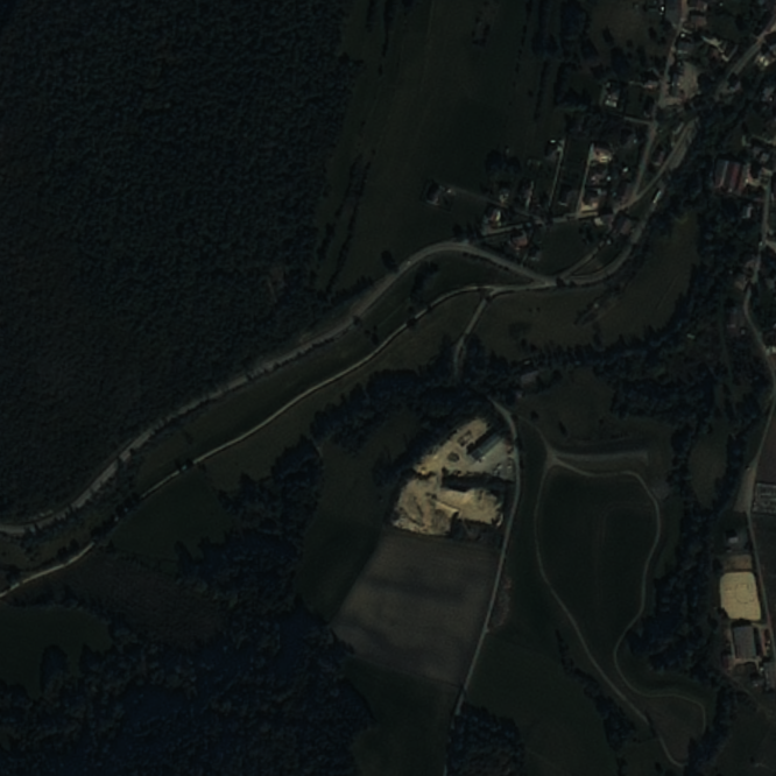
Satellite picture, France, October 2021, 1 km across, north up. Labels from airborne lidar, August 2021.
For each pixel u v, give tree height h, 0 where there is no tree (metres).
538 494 0
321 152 18
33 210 14
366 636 0
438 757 0
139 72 20
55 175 24
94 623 0
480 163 0
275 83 24
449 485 0
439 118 0
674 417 18
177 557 0
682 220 30
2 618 0
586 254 0
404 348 0
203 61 19
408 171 0
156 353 18
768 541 0
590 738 0
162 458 0
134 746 23
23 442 12
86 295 18
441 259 0
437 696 0
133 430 13
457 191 0
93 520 11
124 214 22
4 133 15
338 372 0
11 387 14
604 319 0
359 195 10
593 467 0
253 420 0
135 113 30
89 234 21
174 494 0
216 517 0
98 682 17
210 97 21
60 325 10
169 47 23
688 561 18
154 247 22
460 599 0
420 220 0
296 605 0
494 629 0
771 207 0
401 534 0
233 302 18
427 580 0
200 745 31
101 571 0
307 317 19
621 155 0
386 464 0
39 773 10
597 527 0
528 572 0
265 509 18
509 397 7
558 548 0
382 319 0
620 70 19
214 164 20
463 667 0
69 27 15
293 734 17
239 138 23
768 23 0
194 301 16
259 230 12
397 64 0
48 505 13
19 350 11
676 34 13
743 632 0
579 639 0
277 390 0
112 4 23
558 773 0
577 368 16
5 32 14
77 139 10
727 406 0
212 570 7
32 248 14
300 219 24
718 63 11
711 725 0
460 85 0
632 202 0
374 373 0
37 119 14
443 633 0
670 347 11
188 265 19
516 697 0
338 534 0
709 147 20
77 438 16
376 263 0
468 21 0
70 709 22
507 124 0
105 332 15
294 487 23
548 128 0
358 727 23
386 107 0
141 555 0
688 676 9
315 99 7
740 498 0
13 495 16
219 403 6
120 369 12
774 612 0
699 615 19
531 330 0
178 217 26
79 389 12
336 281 7
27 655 0
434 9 0
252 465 0
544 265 0
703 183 10
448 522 0
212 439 0
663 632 13
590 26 10
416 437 0
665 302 0
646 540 0
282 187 21
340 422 23
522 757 12
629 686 0
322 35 19
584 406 0
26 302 9
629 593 0
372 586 0
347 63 11
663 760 0
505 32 0
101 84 22
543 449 0
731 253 14
